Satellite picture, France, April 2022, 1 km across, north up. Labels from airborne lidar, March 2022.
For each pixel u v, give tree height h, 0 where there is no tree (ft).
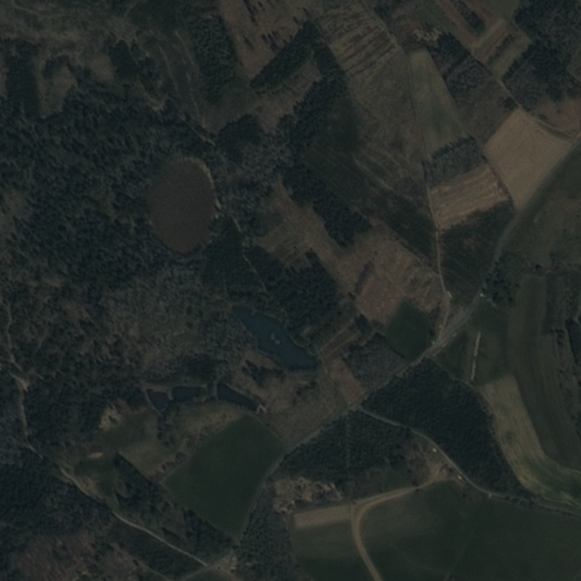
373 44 0
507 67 0
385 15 76
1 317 52
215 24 33
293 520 0
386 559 0
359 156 0
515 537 0
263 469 0
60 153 95
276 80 37
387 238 0
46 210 60
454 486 0
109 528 64
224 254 21
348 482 37
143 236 83
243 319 0
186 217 0
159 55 0
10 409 62
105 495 0
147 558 21
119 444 0
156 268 44
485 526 0
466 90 86
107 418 0
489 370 0
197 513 0
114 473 0
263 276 32
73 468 0
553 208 0
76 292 37
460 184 0
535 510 35
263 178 56
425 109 0
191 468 0
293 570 43
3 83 0
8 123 100
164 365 24
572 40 71
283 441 0
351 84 0
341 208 47
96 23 0
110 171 93
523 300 0
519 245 0
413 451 0
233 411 0
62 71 0
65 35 0
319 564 0
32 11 0
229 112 0
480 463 25
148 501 88
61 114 24
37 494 56
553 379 0
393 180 0
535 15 68
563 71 75
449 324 0
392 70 0
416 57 0
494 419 27
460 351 0
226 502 0
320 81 0
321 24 0
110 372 63
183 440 0
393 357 66
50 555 75
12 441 69
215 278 37
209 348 54
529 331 0
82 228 85
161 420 42
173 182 0
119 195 77
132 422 0
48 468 66
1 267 42
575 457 0
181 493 0
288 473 37
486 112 0
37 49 30
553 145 0
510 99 18
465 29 0
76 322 0
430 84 0
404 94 0
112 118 87
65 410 36
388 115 0
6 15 0
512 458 0
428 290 0
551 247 0
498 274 44
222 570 0
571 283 0
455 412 36
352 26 0
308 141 60
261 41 0
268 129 0
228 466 0
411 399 27
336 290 71
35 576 64
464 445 22
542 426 0
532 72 78
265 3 0
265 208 87
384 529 0
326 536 0
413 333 0
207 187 0
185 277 69
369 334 99
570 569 0
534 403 0
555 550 0
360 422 26
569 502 0
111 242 83
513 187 0
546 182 0
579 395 0
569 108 0
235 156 43
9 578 60
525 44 0
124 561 0
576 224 0
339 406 0
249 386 0
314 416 0
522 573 0
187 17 30
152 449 0
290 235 0
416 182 0
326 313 63
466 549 0
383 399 33
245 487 0
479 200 0
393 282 0
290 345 0
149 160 81
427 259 0
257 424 0
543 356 0
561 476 0
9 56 24
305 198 62
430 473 0
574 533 0
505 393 0
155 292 76
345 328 0
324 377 0
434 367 31
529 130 0
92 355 30
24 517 67
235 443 0
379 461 25
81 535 71
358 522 0
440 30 0
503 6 0
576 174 0
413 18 0
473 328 0
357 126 0
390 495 0
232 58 30
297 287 44
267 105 0
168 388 0
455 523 0
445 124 0
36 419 42
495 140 0
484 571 0
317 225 0
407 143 0
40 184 75
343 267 0
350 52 0
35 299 38
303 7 0
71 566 54
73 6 0
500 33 0
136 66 30
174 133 101
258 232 91
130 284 51
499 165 0
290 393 0
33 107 33
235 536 0
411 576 0
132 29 0
